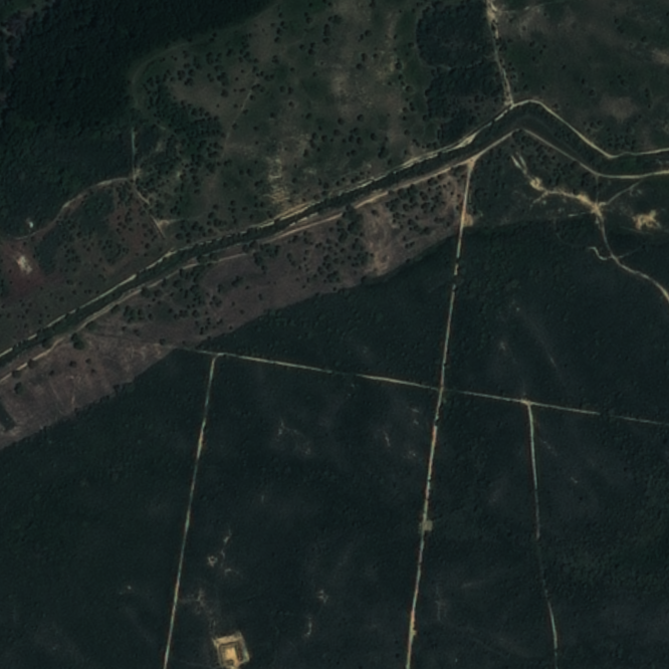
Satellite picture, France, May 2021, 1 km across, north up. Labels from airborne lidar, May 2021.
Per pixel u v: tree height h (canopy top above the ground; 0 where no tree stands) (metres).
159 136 7
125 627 6
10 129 15
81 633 5
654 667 9
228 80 9
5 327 0
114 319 0
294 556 8
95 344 0
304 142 0
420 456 0
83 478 7
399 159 0
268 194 0
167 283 8
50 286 0
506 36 0
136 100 9
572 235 9
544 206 0
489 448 7
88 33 26
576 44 0
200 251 7
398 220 6
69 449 6
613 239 7
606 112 0
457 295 6
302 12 0
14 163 9
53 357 0
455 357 7
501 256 9
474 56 8
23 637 8
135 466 6
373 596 5
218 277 0
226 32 0
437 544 8
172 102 8
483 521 8
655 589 7
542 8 0
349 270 0
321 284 0
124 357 0
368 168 0
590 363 5
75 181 10
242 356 6
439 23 8
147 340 0
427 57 9
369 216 0
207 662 0
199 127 11
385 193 0
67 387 0
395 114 0
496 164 6
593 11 0
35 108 26
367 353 0
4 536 7
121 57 25
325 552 6
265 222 0
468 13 10
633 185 0
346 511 8
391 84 7
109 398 8
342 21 8
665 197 0
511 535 12
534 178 0
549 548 7
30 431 0
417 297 5
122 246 6
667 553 7
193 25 22
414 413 0
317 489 6
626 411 6
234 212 7
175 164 7
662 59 0
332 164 0
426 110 0
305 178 0
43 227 9
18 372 8
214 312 0
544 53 6
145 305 0
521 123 0
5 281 5
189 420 7
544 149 9
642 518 7
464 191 0
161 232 0
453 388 7
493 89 7
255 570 6
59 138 10
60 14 19
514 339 6
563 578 5
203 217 0
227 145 0
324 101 0
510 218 0
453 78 8
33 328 0
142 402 6
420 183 0
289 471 9
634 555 7
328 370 7
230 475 5
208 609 0
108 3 24
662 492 8
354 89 0
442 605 0
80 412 6
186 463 6
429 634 9
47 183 6
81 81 23
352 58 0
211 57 9
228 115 0
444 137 10
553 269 6
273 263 0
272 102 0
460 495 6
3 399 0
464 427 8
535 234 9
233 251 0
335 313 6
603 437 7
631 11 0
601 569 7
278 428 0
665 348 6
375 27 0
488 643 7
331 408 0
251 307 0
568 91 0
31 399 0
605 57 0
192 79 10
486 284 10
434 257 6
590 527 11
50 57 25
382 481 8
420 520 7
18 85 20
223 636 0
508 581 8
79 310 7
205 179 0
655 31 0
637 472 9
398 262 0
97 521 6
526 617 5
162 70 0
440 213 0
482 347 8
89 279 0
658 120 0
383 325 7
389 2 0
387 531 6
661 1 0
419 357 5
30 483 6
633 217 0
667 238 0
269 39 0
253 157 0
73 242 6
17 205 8
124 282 0
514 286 11
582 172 0
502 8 0
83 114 23
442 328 7
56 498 6
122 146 8
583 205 0
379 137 8
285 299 0
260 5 22
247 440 7
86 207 6
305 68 0
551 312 7
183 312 9
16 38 16
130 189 7
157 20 25
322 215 8
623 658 6
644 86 0
